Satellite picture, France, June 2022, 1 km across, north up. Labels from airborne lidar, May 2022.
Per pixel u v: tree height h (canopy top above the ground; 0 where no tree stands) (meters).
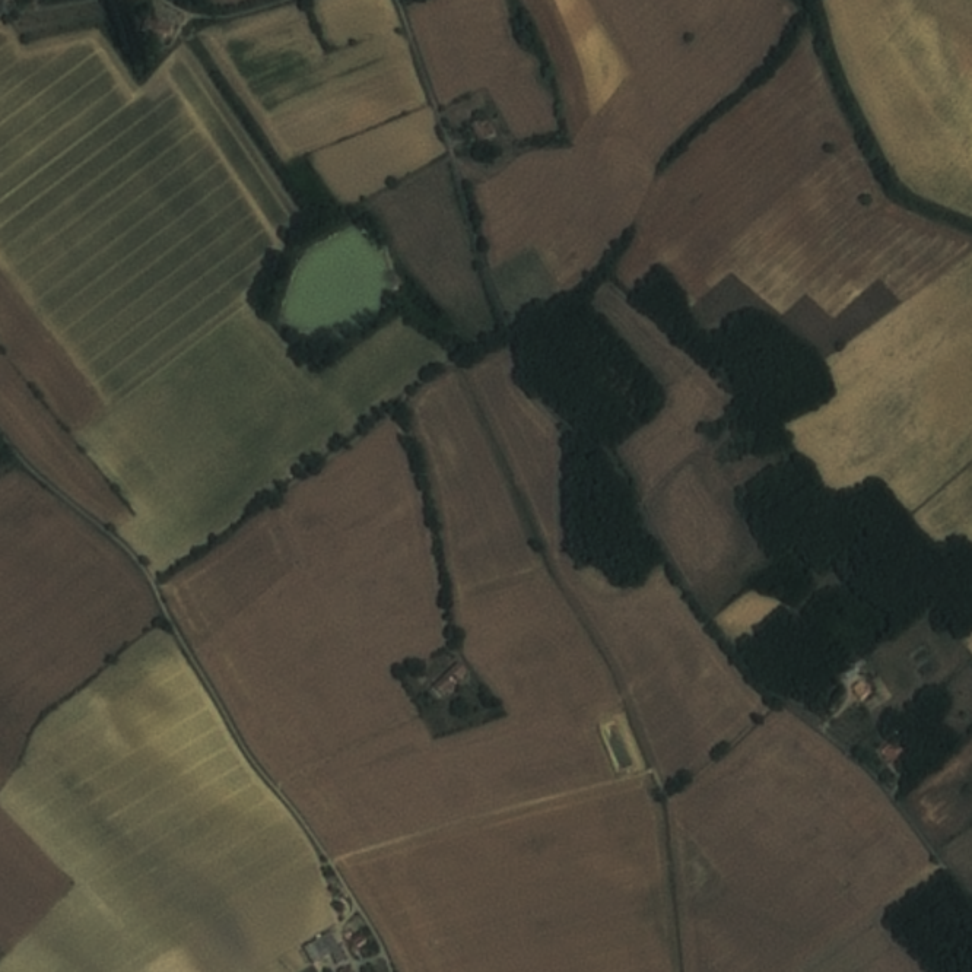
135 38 28
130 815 0
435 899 0
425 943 0
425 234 0
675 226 0
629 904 0
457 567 0
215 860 0
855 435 0
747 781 0
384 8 0
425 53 0
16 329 0
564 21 0
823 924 0
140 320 0
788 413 13
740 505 9
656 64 0
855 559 22
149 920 0
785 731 0
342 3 0
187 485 0
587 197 0
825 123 0
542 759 0
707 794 0
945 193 0
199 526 0
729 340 17
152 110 0
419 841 0
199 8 11
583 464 21
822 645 12
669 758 0
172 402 0
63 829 0
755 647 17
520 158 0
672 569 13
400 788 0
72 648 0
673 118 0
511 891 0
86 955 0
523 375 18
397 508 0
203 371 0
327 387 0
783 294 0
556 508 0
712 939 0
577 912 0
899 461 0
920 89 0
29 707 0
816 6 24
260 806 0
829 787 0
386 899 0
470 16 0
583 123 0
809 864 0
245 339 0
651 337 0
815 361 16
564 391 16
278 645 0
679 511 0
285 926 0
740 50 0
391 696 0
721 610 0
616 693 0
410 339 0
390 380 0
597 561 18
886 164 11
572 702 0
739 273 0
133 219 0
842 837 0
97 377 0
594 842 0
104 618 0
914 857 0
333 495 0
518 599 0
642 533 9
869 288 0
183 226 0
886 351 0
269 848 0
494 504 0
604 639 0
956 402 0
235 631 0
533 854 0
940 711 16
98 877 0
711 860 0
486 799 0
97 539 0
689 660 0
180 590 0
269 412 0
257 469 0
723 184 0
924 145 0
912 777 15
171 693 0
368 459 0
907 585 20
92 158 0
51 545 0
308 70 0
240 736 0
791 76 0
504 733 0
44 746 0
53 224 0
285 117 0
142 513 0
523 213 0
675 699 0
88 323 0
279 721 0
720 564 0
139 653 0
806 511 18
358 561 0
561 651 0
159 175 0
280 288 9
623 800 0
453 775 0
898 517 18
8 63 0
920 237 0
